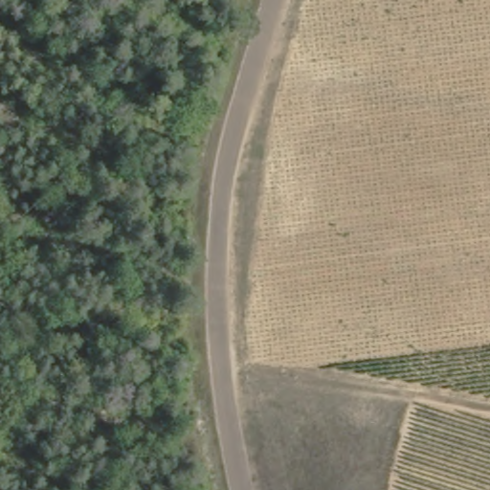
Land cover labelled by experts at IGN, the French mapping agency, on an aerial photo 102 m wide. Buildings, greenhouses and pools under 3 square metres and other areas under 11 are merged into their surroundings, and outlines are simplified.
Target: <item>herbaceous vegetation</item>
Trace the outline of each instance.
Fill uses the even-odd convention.
[[[178,375],[186,369],[184,348],[188,346],[186,343],[193,339],[199,364],[191,383],[191,392],[199,396],[201,406],[201,417],[195,419],[193,433],[186,436],[182,444],[184,452],[180,456],[186,461],[191,461],[193,469],[184,471],[184,480],[176,490],[228,490],[209,387],[209,366],[205,348],[207,299],[203,297],[203,264],[209,184],[214,151],[222,128],[220,115],[232,96],[243,50],[260,31],[260,19],[256,17],[256,10],[260,0],[226,0],[234,8],[235,29],[222,31],[220,34],[203,33],[203,46],[207,48],[207,54],[203,56],[203,86],[207,88],[207,96],[218,101],[220,105],[214,109],[205,107],[205,130],[188,136],[186,172],[189,178],[182,193],[178,197],[165,197],[153,201],[151,205],[147,205],[144,214],[144,222],[151,222],[157,216],[163,216],[165,234],[172,230],[176,245],[189,245],[193,249],[186,274],[178,281],[188,289],[188,297],[184,301],[176,302],[174,308],[159,308],[147,312],[142,327],[149,333],[149,339],[145,339],[147,346],[159,348],[167,358],[176,360]]]
[[[467,390],[423,387],[419,383],[406,383],[402,379],[375,377],[369,373],[356,373],[345,369],[325,369],[323,364],[314,367],[274,367],[251,364],[247,369],[239,369],[239,379],[241,404],[245,408],[247,421],[245,438],[251,461],[255,463],[253,480],[258,484],[258,490],[387,490],[394,450],[398,446],[400,427],[408,402],[421,402],[425,406],[438,408],[444,412],[473,413],[490,419],[490,396],[471,394]]]

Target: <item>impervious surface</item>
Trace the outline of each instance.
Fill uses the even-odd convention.
[[[245,438],[247,421],[245,408],[241,404],[239,379],[232,383],[230,375],[224,297],[228,201],[241,136],[245,130],[249,107],[255,98],[256,84],[262,75],[264,57],[272,42],[274,29],[278,25],[283,0],[260,0],[256,10],[256,17],[260,19],[260,31],[243,50],[232,96],[220,115],[222,128],[214,151],[209,184],[203,264],[203,297],[207,299],[205,348],[209,366],[209,387],[228,490],[258,490],[258,484],[253,480],[255,463],[251,461]]]

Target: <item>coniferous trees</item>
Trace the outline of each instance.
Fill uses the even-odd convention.
[[[21,17],[21,0],[0,0],[0,8],[11,11],[15,17]]]
[[[103,36],[103,29],[117,29],[122,33],[117,56],[107,56],[103,48],[98,48],[94,67],[107,65],[113,71],[113,78],[107,86],[98,84],[94,77],[94,67],[67,67],[65,54],[77,52],[84,38],[94,40]],[[186,274],[193,249],[189,245],[176,245],[172,230],[165,234],[163,216],[157,216],[151,222],[144,222],[144,214],[147,205],[151,205],[153,201],[165,197],[178,197],[182,193],[189,178],[186,172],[188,136],[174,138],[174,134],[165,132],[165,111],[170,107],[170,101],[178,103],[182,98],[193,98],[193,92],[197,92],[203,86],[203,56],[207,54],[207,48],[203,46],[203,33],[220,34],[222,31],[235,29],[234,8],[226,0],[44,0],[44,6],[36,11],[33,25],[29,25],[29,33],[56,33],[56,40],[50,42],[50,52],[46,56],[36,59],[29,52],[21,50],[17,34],[6,31],[0,25],[0,178],[4,182],[8,201],[15,207],[15,212],[21,216],[31,216],[42,228],[40,234],[25,237],[25,247],[38,247],[38,260],[42,264],[54,262],[57,251],[67,249],[69,266],[57,276],[59,289],[69,287],[77,297],[86,299],[82,308],[77,310],[78,318],[82,322],[59,327],[48,325],[48,320],[44,318],[44,312],[38,304],[21,304],[23,312],[27,312],[36,323],[36,335],[33,345],[29,346],[29,358],[33,360],[36,373],[40,373],[46,379],[46,383],[56,389],[56,400],[40,398],[27,410],[23,425],[19,425],[13,431],[8,454],[0,459],[0,490],[176,490],[184,480],[184,471],[193,469],[191,461],[186,461],[180,456],[174,456],[167,446],[168,436],[172,436],[176,429],[172,421],[172,410],[161,404],[149,417],[140,415],[145,408],[151,406],[149,385],[155,383],[155,379],[170,379],[178,375],[176,360],[167,358],[159,348],[147,346],[142,350],[142,354],[130,350],[126,356],[122,356],[122,369],[115,371],[113,364],[105,364],[105,356],[101,354],[98,346],[98,331],[101,325],[113,331],[121,325],[121,320],[130,320],[138,327],[142,327],[147,312],[159,308],[174,308],[176,302],[184,301],[188,297],[188,289],[178,281]],[[42,197],[38,170],[50,167],[63,149],[69,149],[75,155],[78,172],[84,178],[90,178],[92,189],[86,195],[67,193],[61,205],[42,209],[38,205],[38,199]]]

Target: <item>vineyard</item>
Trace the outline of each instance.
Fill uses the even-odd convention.
[[[406,383],[419,383],[423,387],[467,390],[471,394],[490,396],[490,0],[283,0],[278,25],[274,29],[272,42],[264,57],[262,75],[256,84],[255,98],[249,107],[245,130],[241,136],[228,201],[224,297],[230,375],[232,383],[239,379],[239,369],[247,369],[251,364],[274,367],[314,367],[323,364],[325,369],[345,369],[356,373],[369,373],[375,377],[402,379]]]
[[[398,446],[394,450],[387,490],[490,490],[490,419],[473,413],[444,412],[438,408],[425,406],[421,402],[408,402],[400,427]]]

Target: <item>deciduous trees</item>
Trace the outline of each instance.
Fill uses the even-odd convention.
[[[155,379],[155,383],[149,385],[151,406],[145,408],[140,415],[149,417],[161,404],[172,410],[172,421],[176,429],[172,436],[168,436],[167,446],[174,456],[180,456],[184,452],[182,444],[186,436],[193,433],[195,419],[201,417],[201,406],[199,396],[191,392],[191,383],[199,364],[193,339],[186,343],[188,346],[184,348],[186,369],[178,375],[170,379]]]
[[[40,373],[36,373],[33,360],[29,358],[29,346],[33,345],[36,335],[36,323],[27,312],[23,312],[21,304],[38,304],[44,312],[44,318],[48,320],[48,325],[59,327],[82,322],[78,318],[77,310],[82,308],[86,299],[77,297],[69,287],[59,289],[57,276],[69,266],[67,249],[57,251],[54,262],[42,264],[38,260],[38,247],[25,247],[25,237],[40,234],[42,228],[31,216],[21,216],[15,212],[15,207],[8,201],[4,182],[0,178],[0,459],[8,454],[13,431],[19,425],[23,425],[27,410],[40,398],[56,400],[56,389],[46,383],[46,379]]]
[[[42,197],[38,199],[38,205],[42,209],[61,205],[67,193],[86,195],[92,189],[90,178],[84,178],[78,172],[75,155],[69,149],[63,149],[50,167],[38,170]]]
[[[94,77],[98,84],[107,86],[113,78],[113,71],[107,65],[94,67]]]
[[[188,136],[205,130],[205,107],[214,109],[220,105],[218,101],[207,96],[207,88],[203,86],[197,92],[193,92],[193,98],[182,98],[178,103],[170,101],[170,107],[165,111],[165,132],[174,134],[174,138]]]
[[[77,52],[65,54],[67,67],[94,67],[98,48],[103,48],[107,56],[117,56],[122,33],[117,29],[103,29],[103,36],[94,40],[84,38]]]
[[[121,320],[121,325],[113,331],[101,325],[98,331],[98,346],[101,354],[105,356],[105,364],[113,364],[115,371],[122,369],[122,356],[126,356],[130,350],[142,354],[142,350],[147,346],[145,339],[149,339],[149,333],[142,327],[138,327],[130,320]]]
[[[29,25],[33,25],[36,11],[44,6],[44,0],[21,0],[21,17],[15,17],[11,11],[0,8],[0,25],[6,31],[17,34],[21,50],[29,52],[36,59],[46,56],[50,52],[50,42],[56,40],[56,33],[29,33]]]

